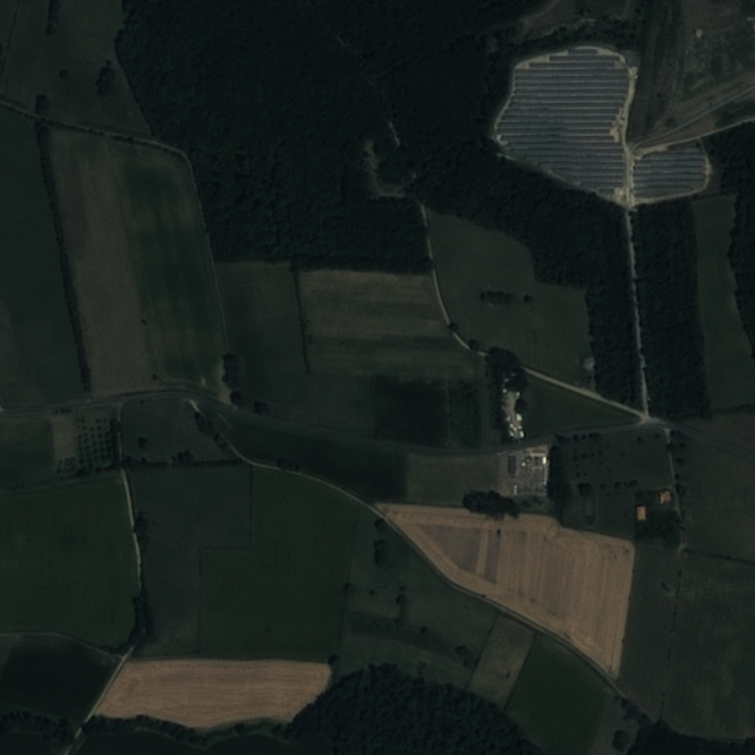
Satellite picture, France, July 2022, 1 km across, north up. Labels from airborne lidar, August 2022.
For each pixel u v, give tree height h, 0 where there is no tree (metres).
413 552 0
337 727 18
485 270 0
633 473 0
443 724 12
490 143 16
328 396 0
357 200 21
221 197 19
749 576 0
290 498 0
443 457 0
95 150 0
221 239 11
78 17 0
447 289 0
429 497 0
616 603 0
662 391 16
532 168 0
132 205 0
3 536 0
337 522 0
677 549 0
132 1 21
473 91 23
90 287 0
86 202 0
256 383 0
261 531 0
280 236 18
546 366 0
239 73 18
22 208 0
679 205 10
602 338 19
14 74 0
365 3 18
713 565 0
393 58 13
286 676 0
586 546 0
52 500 0
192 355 0
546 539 0
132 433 0
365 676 17
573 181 0
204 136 19
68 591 0
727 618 0
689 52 0
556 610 0
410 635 0
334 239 18
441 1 21
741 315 6
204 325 0
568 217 21
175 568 0
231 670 0
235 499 0
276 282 0
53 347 0
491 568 0
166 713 0
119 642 0
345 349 0
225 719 0
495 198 19
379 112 18
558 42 6
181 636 0
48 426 0
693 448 0
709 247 0
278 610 0
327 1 22
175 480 0
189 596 0
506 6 19
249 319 0
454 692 20
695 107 0
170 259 0
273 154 7
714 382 0
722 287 0
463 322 0
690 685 0
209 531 0
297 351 0
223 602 0
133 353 0
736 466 0
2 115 0
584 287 12
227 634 0
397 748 16
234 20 19
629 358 8
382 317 0
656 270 8
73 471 6
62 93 0
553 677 0
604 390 18
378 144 16
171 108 19
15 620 0
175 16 21
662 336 11
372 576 0
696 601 0
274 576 0
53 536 0
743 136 17
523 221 19
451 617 0
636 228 12
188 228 0
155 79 17
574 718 0
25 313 0
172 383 0
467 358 0
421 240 19
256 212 20
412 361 0
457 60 24
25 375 0
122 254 0
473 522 0
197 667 0
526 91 0
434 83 22
